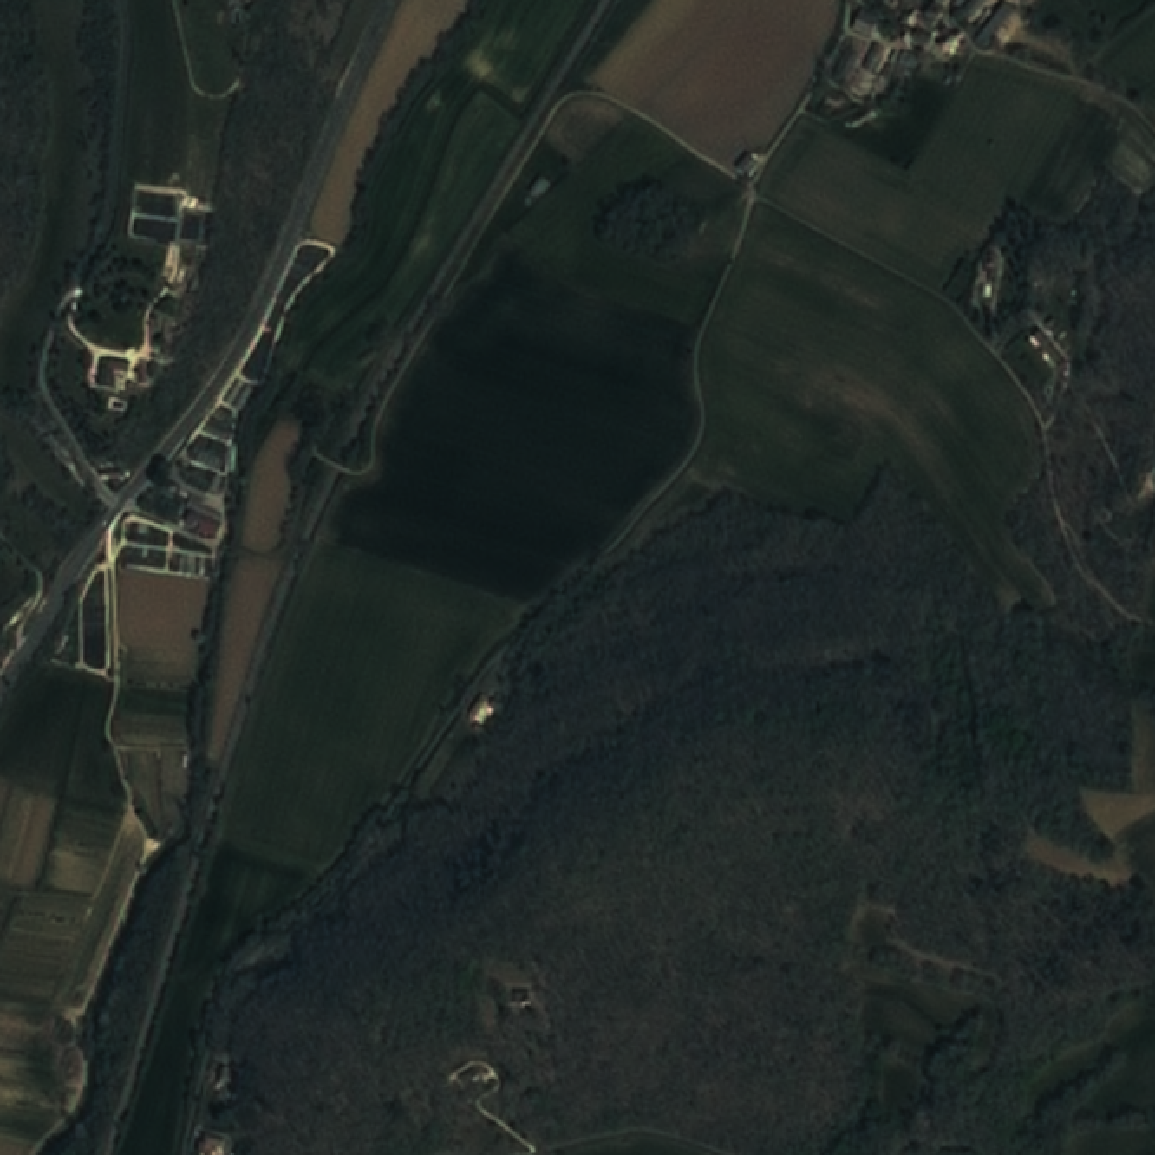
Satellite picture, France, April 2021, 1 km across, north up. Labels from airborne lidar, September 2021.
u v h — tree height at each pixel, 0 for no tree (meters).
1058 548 8
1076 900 18
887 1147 20
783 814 15
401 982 12
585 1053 17
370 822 11
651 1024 16
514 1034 23
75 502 0
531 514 0
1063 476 10
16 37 19
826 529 15
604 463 0
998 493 0
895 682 24
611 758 14
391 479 0
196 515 0
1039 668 23
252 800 0
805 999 16
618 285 0
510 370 0
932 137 0
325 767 0
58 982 0
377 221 0
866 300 0
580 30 0
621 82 0
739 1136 18
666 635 15
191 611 0
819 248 0
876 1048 12
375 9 0
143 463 18
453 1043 20
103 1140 21
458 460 0
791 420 0
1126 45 0
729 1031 11
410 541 0
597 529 0
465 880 20
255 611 0
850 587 17
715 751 14
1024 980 15
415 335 7
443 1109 24
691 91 0
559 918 14
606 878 12
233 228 12
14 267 15
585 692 14
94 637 0
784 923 16
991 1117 16
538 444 0
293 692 0
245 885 0
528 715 14
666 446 0
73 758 0
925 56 13
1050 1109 18
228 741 0
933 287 0
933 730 20
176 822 0
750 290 0
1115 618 12
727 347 0
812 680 13
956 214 0
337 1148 15
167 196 0
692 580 12
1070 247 20
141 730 0
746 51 0
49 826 0
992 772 19
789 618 15
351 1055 16
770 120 0
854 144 0
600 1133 20
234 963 10
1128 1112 11
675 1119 18
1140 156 0
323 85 14
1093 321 13
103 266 13
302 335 0
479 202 0
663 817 11
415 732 0
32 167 10
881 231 0
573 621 7
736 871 12
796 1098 15
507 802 8
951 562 16
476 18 13
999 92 0
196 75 0
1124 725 15
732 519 14
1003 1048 13
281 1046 15
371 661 0
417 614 0
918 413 0
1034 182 0
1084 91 0
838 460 0
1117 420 14
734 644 15
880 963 19
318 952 14
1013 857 15
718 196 0
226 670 0
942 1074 21
